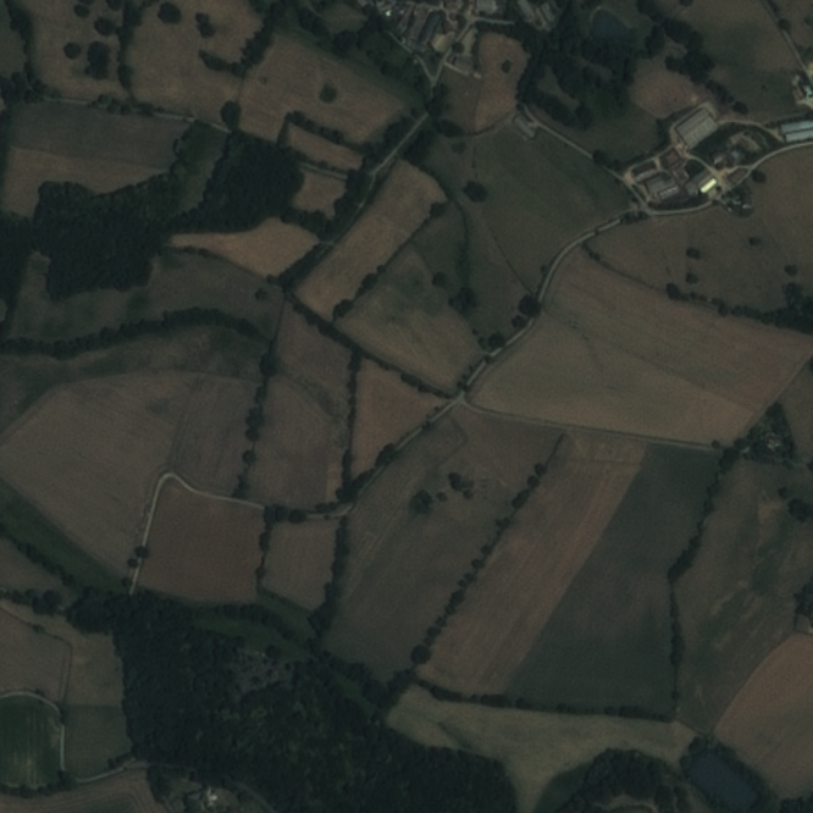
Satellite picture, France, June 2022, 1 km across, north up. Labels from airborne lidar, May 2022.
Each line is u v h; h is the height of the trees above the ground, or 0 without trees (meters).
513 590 0
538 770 0
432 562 0
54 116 0
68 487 0
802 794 0
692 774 0
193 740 21
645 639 0
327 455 0
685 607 0
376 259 0
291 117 14
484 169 0
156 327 10
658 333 0
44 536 0
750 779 18
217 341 0
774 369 0
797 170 0
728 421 0
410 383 13
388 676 0
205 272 0
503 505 0
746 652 0
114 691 0
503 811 17
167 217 19
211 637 20
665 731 0
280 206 20
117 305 0
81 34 0
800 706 0
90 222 20
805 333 9
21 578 0
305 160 14
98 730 0
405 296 0
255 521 0
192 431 0
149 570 0
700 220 0
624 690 0
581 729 0
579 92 27
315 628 18
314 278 0
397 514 0
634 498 0
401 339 0
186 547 0
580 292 0
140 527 0
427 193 0
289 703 17
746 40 0
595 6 12
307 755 20
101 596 13
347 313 13
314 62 0
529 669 0
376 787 23
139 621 22
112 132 0
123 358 0
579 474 0
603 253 0
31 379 0
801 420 0
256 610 16
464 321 17
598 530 0
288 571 0
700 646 0
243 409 0
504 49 0
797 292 23
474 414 0
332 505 9
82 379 0
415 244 0
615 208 0
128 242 17
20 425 0
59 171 0
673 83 0
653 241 0
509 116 0
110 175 0
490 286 0
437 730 0
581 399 0
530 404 0
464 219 0
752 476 0
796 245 0
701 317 0
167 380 0
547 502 0
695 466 0
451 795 22
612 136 0
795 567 0
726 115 0
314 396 0
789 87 0
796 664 0
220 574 0
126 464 0
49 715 0
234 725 23
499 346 17
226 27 0
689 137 0
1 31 0
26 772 0
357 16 0
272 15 14
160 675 21
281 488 0
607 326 0
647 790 22
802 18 0
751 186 0
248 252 0
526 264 0
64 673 0
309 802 23
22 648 0
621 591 0
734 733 0
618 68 17
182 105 0
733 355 0
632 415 0
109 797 0
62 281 19
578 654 0
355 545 0
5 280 21
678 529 0
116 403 0
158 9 0
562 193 0
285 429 0
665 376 0
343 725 22
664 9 0
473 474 0
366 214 0
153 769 13
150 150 0
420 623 0
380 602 0
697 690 0
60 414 0
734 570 0
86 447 0
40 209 12
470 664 0
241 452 0
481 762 18
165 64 0
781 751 0
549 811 0
